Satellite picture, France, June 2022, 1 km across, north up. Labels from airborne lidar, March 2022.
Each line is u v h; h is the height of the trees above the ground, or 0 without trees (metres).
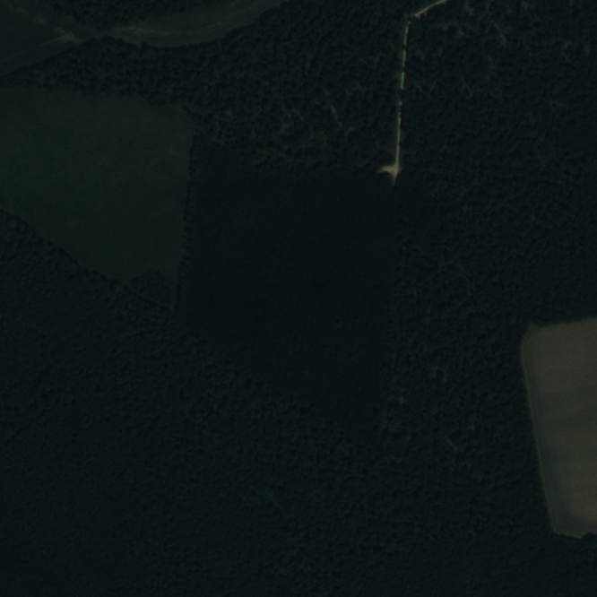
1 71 0
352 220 15
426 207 13
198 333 21
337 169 11
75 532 0
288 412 16
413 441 20
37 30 0
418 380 23
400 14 22
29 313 20
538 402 0
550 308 21
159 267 0
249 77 21
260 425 20
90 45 14
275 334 11
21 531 0
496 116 13
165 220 0
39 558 0
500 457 21
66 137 0
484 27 22
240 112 22
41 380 26
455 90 17
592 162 19
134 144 0
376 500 20
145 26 0
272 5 0
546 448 0
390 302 20
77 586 0
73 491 0
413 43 21
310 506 23
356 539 18
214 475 20
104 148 0
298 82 16
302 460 22
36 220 0
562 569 7
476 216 22
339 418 12
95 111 0
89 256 0
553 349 0
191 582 21
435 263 23
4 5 0
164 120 0
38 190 0
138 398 20
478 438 23
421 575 9
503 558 10
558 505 0
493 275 24
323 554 22
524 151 8
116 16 21
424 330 22
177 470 25
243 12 0
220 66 20
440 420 21
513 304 14
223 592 16
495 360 22
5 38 0
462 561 13
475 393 22
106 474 0
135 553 20
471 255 24
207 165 16
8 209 0
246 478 19
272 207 13
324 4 17
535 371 0
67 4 0
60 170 0
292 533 22
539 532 20
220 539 21
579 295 17
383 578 12
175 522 21
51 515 0
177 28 0
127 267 0
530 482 16
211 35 0
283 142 23
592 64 19
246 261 12
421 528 20
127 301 23
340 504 17
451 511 21
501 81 18
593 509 0
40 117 0
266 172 14
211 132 21
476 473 18
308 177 13
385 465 19
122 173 0
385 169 0
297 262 15
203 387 23
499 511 16
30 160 0
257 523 22
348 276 11
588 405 0
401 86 0
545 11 23
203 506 21
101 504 0
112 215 0
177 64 0
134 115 0
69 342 25
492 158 19
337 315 12
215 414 22
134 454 22
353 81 22
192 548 19
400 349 20
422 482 19
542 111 19
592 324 0
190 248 19
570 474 0
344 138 21
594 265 12
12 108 0
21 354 22
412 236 10
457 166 17
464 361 20
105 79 0
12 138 0
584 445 0
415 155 17
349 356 17
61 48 0
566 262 21
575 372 0
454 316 21
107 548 0
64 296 23
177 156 0
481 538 18
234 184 16
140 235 0
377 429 20
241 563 23
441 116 16
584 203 22
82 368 24
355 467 18
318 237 15
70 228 0
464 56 24
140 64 0
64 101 0
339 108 23
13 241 23
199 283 14
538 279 19
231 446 23
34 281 17
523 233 23
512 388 20
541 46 21
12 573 0
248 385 23
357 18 15
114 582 0
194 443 22
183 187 0
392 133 20
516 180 23
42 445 0
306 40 14
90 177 0
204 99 21
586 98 20
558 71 21
